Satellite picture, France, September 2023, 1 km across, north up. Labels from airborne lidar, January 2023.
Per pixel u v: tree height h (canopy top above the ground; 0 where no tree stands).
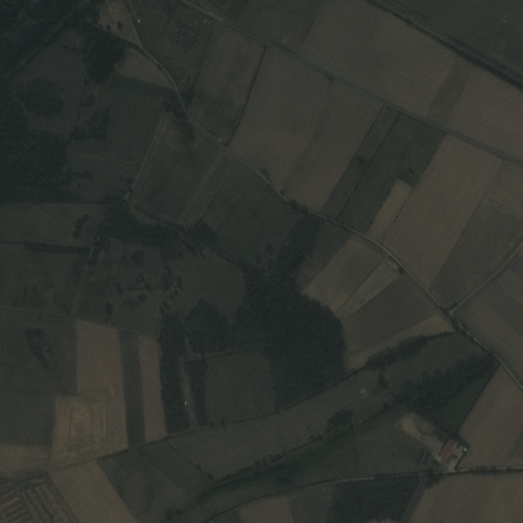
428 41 0
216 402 0
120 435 0
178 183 0
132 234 11
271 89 0
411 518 0
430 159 0
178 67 0
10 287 0
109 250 0
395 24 0
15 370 0
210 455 0
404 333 0
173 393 11
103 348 0
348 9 0
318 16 0
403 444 0
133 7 0
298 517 0
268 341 12
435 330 0
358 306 0
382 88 0
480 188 0
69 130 0
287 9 0
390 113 0
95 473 0
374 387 0
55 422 0
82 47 0
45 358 0
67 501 0
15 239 0
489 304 0
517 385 0
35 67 0
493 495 0
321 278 0
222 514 0
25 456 0
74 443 0
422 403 20
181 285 9
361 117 0
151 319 0
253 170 0
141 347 0
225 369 0
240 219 0
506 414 0
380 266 0
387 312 0
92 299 0
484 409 0
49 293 0
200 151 0
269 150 0
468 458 0
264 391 0
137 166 0
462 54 0
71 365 0
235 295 0
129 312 0
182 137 0
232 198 0
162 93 0
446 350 0
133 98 0
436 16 0
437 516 0
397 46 0
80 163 0
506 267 0
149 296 0
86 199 0
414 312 0
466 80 0
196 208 0
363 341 0
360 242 0
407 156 0
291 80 0
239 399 0
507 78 0
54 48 0
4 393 0
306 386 7
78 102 0
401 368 0
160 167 0
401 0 0
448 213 0
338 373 15
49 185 11
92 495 0
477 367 15
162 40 0
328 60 0
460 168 0
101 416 0
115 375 0
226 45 0
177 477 0
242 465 0
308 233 11
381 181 0
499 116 0
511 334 0
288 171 0
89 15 16
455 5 0
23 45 21
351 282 0
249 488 0
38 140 13
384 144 0
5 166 12
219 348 7
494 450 0
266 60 0
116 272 0
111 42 17
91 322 0
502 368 0
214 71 0
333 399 0
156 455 0
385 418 0
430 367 0
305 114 0
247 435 0
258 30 0
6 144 10
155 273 0
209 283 0
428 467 0
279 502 0
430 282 0
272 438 0
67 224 0
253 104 0
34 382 0
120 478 0
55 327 0
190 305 0
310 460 0
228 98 0
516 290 0
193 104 0
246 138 0
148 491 0
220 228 0
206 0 0
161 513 0
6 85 15
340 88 0
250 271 17
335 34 0
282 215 0
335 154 0
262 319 20
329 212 0
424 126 0
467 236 0
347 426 0
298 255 7
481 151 0
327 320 16
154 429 0
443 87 0
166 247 12
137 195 0
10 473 0
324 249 0
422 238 0
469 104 0
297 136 0
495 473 9
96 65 13
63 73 0
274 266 13
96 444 0
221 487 0
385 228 0
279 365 7
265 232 0
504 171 0
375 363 19
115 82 0
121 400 0
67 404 0
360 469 0
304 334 12
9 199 12
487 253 0
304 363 8
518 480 0
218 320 16
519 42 0
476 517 0
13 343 0
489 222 0
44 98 11
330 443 0
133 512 0
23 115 10
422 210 0
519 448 0
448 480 0
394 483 8
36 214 0
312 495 0
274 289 13
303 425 0
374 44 0
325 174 0
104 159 0
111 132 0
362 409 0
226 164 0
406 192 0
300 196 0
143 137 0
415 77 0
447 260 0
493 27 0
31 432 0
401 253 0
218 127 0
